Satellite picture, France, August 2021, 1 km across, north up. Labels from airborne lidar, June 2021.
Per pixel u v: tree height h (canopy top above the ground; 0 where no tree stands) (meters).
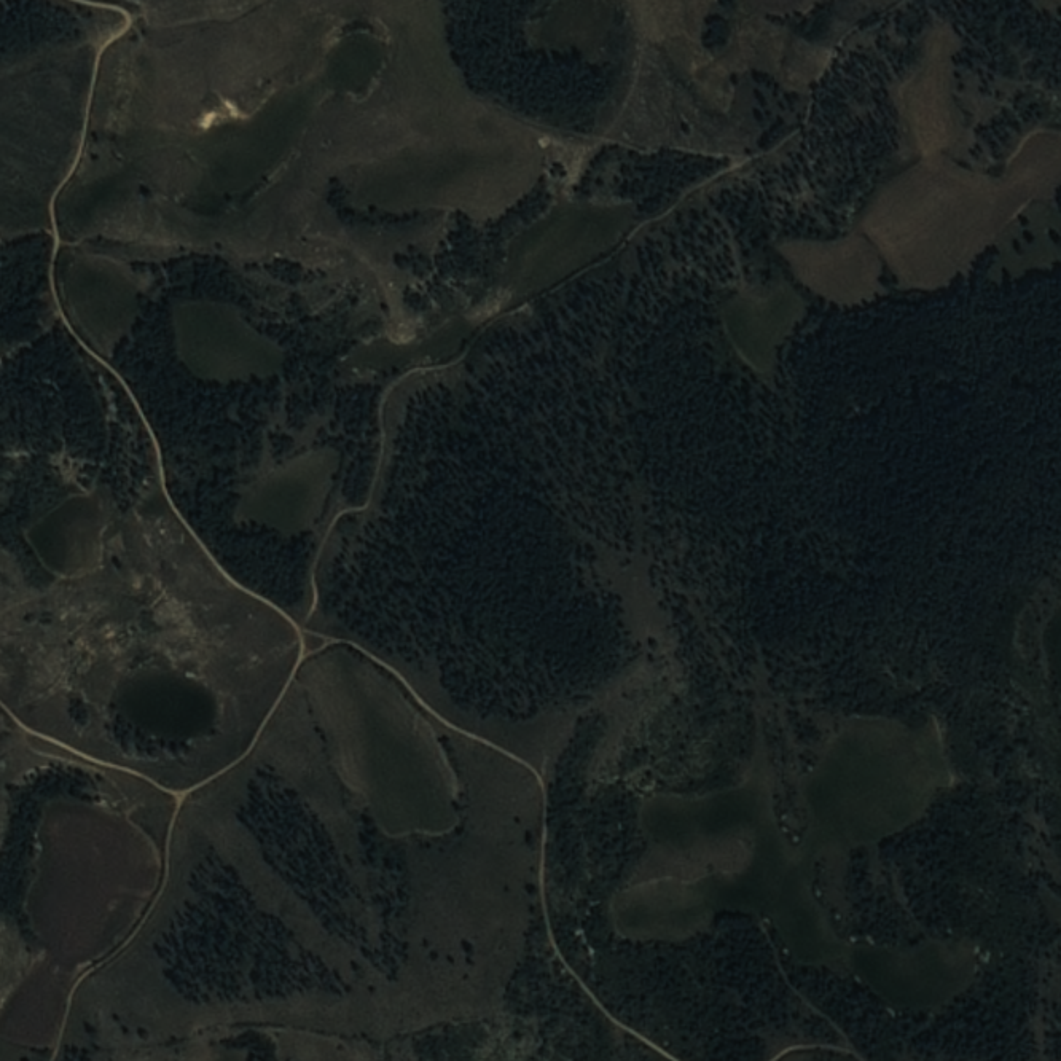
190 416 9
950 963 0
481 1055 0
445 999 0
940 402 14
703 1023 6
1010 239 0
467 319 0
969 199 0
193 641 0
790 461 14
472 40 15
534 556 19
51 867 0
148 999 0
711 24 12
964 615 9
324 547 0
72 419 7
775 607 12
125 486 8
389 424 0
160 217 0
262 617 0
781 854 0
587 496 14
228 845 0
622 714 0
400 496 8
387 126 0
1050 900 0
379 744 0
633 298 9
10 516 10
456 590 13
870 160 11
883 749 0
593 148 0
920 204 0
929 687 6
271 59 0
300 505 0
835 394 18
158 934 0
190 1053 0
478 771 0
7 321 14
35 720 0
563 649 16
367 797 0
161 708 0
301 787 0
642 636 0
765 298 0
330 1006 0
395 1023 0
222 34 0
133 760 0
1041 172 0
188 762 0
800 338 13
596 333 16
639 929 0
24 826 11
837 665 8
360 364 0
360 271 0
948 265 0
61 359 10
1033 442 12
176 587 0
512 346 12
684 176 12
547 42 0
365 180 0
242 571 11
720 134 0
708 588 10
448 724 0
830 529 14
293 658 0
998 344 11
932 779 0
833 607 17
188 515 5
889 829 0
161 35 0
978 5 13
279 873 15
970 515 16
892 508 18
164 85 0
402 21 0
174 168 0
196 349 0
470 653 10
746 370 7
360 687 0
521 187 0
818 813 0
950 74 0
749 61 0
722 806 0
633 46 0
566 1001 7
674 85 0
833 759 0
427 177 0
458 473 14
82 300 0
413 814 0
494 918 0
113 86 0
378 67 0
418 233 0
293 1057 0
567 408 11
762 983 12
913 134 0
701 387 16
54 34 8
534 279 0
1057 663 0
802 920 0
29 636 0
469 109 0
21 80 0
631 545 9
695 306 16
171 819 0
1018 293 17
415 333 0
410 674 0
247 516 0
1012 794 6
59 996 0
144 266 7
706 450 15
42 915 0
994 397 11
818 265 0
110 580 0
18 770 0
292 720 0
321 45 0
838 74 11
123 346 9
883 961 0
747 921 10
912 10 14
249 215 0
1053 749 0
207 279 14
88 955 0
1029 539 11
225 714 0
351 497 7
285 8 0
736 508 16
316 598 0
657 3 0
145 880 0
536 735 0
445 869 0
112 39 0
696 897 0
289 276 8
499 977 0
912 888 8
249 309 7
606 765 0
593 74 18
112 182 0
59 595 0
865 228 0
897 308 15
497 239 15
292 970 14
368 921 0
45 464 10
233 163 0
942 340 14
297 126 0
